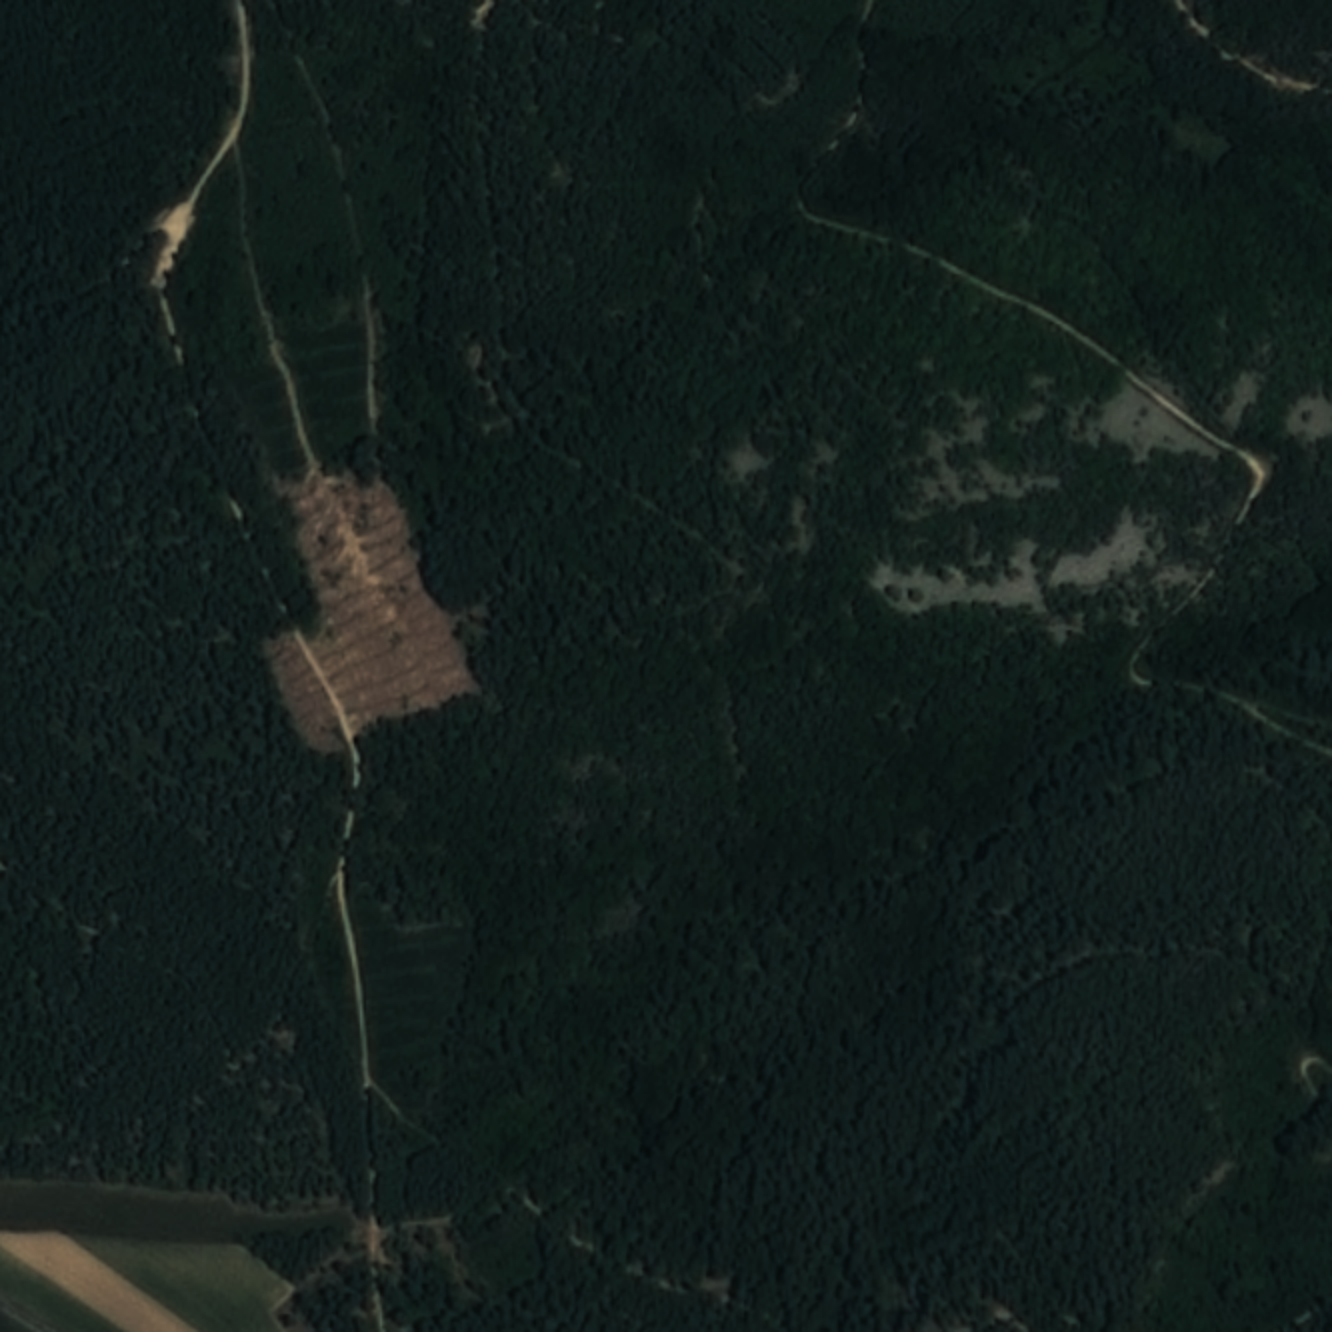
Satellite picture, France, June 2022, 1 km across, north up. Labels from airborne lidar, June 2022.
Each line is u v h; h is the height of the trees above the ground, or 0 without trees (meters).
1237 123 17
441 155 13
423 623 0
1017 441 10
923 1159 33
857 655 16
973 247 9
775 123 12
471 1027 26
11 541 20
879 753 12
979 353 12
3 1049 19
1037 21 16
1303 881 21
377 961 0
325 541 11
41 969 15
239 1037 16
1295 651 32
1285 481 8
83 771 18
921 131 20
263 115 6
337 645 0
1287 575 18
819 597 14
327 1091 15
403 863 12
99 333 30
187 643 19
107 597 18
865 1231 32
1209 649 21
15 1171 18
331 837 13
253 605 14
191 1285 0
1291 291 7
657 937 9
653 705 12
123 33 8
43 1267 0
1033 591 0
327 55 7
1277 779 18
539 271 18
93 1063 18
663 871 15
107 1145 17
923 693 12
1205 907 14
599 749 14
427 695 0
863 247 11
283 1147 15
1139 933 23
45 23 10
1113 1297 26
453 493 14
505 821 16
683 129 23
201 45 11
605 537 6
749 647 13
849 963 22
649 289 16
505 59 14
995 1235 19
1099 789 21
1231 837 18
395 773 19
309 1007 19
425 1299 14
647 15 13
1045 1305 16
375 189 6
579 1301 16
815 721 16
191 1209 0
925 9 8
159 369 10
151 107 11
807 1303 31
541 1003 20
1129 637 10
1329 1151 26
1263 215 11
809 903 14
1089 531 10
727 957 13
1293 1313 6
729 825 26
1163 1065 21
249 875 19
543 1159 20
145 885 17
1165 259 13
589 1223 10
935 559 12
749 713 21
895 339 14
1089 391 7
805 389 11
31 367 19
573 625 22
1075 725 12
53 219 12
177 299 9
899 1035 24
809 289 6
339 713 0
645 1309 23
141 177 6
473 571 30
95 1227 0
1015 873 22
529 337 22
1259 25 14
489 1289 13
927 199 15
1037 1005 21
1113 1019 20
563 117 14
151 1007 15
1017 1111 23
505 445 15
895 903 26
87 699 19
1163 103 21
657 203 21
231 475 16
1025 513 8
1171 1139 26
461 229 17
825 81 13
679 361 6
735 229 7
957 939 23
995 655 11
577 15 25
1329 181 21
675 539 9
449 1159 16
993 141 20
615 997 15
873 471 7
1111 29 18
